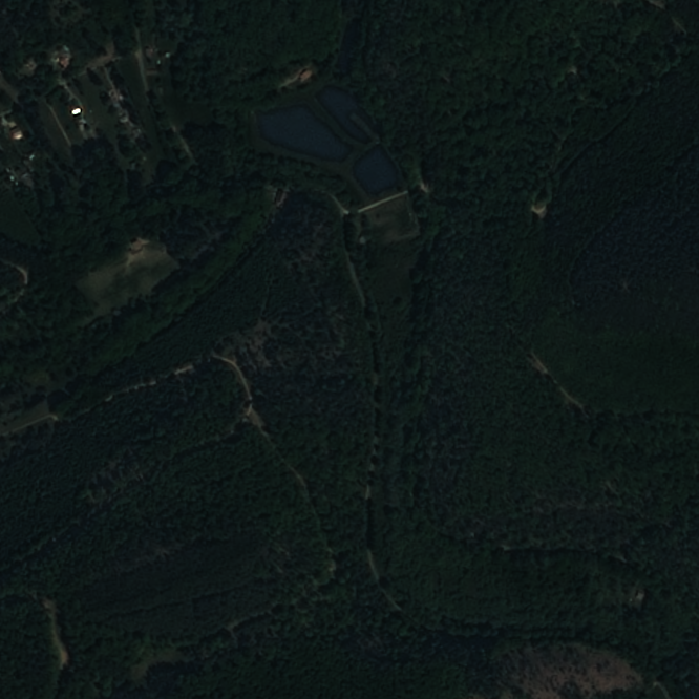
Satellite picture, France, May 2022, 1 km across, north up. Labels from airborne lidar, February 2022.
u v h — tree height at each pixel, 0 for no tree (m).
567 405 0
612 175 21
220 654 39
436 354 31
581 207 19
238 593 20
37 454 11
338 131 0
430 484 7
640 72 10
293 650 29
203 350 9
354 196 0
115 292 0
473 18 31
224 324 8
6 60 25
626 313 17
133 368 15
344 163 0
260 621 19
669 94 19
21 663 27
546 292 18
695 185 30
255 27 25
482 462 0
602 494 26
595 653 24
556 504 23
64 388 0
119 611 17
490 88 32
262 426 0
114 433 13
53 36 15
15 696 23
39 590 27
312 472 28
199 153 17
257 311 8
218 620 19
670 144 17
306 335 29
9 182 10
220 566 20
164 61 0
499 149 29
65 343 15
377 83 29
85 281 0
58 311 26
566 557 20
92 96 0
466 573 12
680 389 0
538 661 19
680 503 34
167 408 12
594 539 9
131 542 27
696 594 33
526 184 26
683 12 14
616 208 19
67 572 22
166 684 20
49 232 26
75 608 24
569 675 23
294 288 7
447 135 29
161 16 22
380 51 26
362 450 34
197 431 25
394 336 0
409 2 24
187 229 27
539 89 27
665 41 8
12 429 0
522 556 26
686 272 13
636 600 0
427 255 22
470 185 29
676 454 28
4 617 25
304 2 28
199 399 24
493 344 24
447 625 19
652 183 22
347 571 33
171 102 0
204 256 26
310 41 30
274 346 24
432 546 23
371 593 33
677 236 24
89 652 31
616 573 24
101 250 29
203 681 31
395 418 17
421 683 0
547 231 19
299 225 24
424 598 0
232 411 25
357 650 29
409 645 28
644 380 0
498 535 7
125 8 7
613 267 24
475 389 26
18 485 9
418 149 20
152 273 0
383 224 0
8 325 26
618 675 20
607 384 0
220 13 26
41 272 13
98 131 7
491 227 26
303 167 15
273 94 23
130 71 0
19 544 14
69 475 9
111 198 28
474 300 28
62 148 0
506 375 0
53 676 27
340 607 21
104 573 20
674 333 14
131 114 25
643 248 25
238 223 23
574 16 20
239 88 26
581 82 24
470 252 26
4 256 21
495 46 27
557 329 0
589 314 18
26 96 20
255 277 8
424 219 26
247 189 31
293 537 23
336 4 23
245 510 25
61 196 29
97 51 18
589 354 0
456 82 26
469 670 26
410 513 26
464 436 22
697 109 18
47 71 23
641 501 31
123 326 28
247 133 0
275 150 0
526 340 18
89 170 28
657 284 16
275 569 28
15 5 18
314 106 0
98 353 31
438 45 24
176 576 18
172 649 26
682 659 26
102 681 36
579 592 11
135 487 27
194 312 6
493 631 21
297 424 26
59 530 12
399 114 27
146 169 0
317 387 28
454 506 21
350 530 32
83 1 14
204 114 0
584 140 10
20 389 16
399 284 0
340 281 8
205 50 26
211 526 20
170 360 9
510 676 23
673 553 30
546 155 28
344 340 7
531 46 27
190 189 28
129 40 21
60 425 13
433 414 7
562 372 0
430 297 30
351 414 29
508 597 13
